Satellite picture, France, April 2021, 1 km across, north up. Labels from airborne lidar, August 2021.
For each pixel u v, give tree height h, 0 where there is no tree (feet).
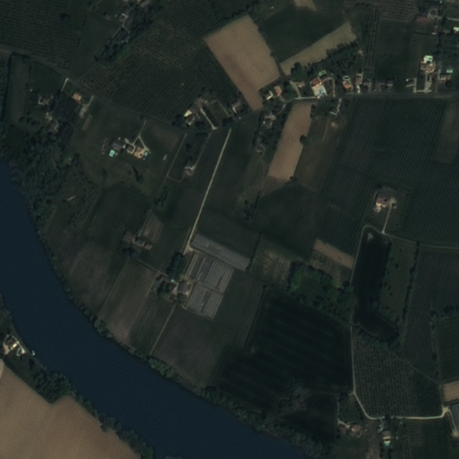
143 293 0
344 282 0
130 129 0
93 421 0
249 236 0
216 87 17
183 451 0
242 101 18
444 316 25
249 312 0
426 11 24
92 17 0
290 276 0
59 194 63
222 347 0
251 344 0
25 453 0
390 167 18
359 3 20
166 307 0
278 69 0
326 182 0
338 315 24
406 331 53
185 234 0
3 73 30
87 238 0
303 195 0
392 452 44
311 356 0
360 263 0
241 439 0
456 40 50
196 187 0
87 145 0
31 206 21
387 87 31
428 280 17
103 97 0
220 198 0
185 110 0
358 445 0
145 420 0
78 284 0
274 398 0
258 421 44
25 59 51
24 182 72
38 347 0
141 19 29
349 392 0
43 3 20
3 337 34
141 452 93
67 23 60
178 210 0
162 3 30
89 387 0
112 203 0
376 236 0
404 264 0
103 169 0
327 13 0
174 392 0
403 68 0
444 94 0
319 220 0
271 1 56
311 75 40
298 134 0
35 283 0
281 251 0
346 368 0
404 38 0
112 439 0
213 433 0
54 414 0
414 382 20
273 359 0
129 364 0
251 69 0
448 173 17
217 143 0
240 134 0
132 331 0
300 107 0
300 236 0
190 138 0
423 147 18
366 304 0
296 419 0
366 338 74
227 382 0
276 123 26
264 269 0
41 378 43
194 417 0
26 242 0
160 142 0
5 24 18
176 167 0
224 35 0
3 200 0
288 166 0
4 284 0
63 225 0
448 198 18
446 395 0
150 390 0
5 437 0
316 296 0
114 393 0
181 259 56
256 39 0
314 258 0
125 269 0
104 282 0
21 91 0
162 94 19
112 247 0
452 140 0
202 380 0
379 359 18
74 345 0
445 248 0
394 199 0
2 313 48
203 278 0
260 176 0
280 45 0
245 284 0
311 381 0
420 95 0
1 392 0
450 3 0
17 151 36
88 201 34
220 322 0
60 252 0
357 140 18
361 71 26
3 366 0
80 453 0
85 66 0
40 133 25
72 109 54
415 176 19
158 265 0
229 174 0
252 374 0
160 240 0
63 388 66
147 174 0
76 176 47
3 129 99
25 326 0
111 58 37
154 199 0
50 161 122
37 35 18
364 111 17
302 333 0
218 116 0
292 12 0
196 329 0
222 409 0
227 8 0
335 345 0
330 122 0
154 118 0
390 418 33
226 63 0
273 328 0
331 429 0
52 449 0
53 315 0
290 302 0
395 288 0
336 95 0
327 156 0
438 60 52
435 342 30
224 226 0
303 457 0
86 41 0
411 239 0
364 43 0
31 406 0
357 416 0
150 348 0
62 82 0
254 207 23
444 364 19
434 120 18
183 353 0
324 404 0
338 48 0
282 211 0
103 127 0
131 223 0
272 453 0
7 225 0
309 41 0
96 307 0
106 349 0
